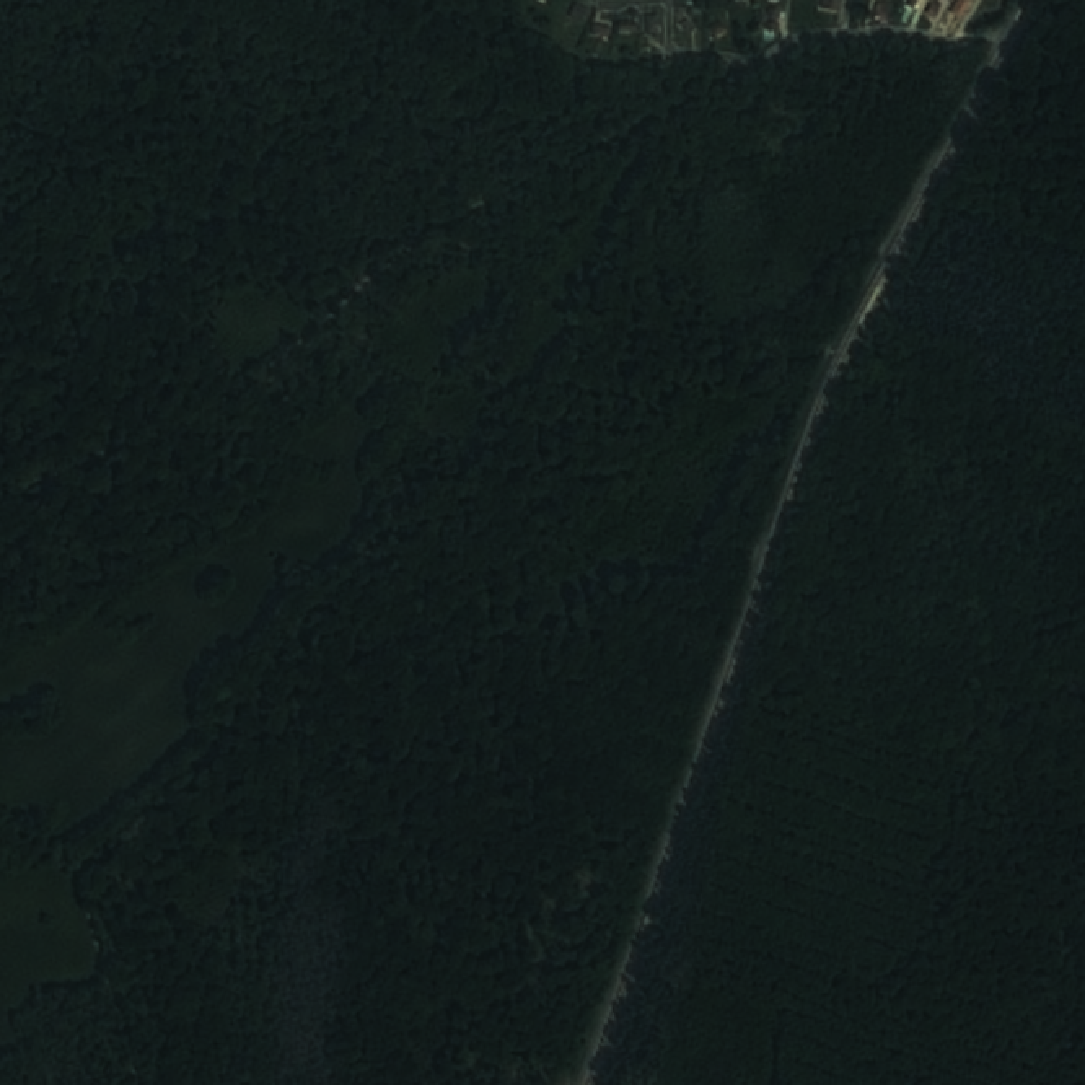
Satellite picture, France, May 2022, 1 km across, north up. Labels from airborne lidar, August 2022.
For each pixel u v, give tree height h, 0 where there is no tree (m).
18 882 0
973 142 28
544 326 0
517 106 20
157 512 25
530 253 23
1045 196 16
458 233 24
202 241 29
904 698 26
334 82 20
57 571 31
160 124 24
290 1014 13
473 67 20
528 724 34
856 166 15
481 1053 25
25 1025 15
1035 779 18
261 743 29
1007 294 18
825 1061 20
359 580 29
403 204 13
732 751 23
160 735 0
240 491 24
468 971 22
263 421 24
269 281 27
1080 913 22
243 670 24
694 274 11
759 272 16
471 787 32
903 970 24
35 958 0
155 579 16
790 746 18
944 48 16
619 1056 22
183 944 29
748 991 21
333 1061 19
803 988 17
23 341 30
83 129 28
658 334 22
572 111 25
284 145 19
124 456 30
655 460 8
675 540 6
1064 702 31
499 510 26
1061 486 24
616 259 26
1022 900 27
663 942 27
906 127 16
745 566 22
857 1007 23
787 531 19
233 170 25
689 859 23
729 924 17
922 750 17
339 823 23
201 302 26
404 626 24
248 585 0
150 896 28
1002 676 26
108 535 29
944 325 25
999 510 19
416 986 25
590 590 22
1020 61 29
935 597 21
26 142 21
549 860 29
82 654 0
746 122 23
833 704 23
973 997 24
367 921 29
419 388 19
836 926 16
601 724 22
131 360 27
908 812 15
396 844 28
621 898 24
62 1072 26
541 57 26
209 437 24
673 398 25
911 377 26
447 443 13
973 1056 19
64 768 0
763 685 24
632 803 23
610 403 21
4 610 25
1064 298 22
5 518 30
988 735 28
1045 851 19
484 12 23
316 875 24
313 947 24
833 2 0
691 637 26
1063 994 26
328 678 30
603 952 13
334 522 0
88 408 31
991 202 23
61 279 26
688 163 17
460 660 30
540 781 28
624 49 7
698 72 18
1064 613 24
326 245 23
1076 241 22
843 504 22
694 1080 7
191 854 28
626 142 17
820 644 27
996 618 25
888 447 24
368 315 26
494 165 19
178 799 28
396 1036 23
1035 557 23
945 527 21
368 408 23
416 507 27
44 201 26
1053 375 17
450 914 27
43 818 20
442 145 21
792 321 27
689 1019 10
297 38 24
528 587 29
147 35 28
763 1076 10
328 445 0
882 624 24
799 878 19
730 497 21
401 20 25
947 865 24
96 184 24
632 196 23
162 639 0
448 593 32
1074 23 26
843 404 20
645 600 31
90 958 0
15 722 18
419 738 30
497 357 26
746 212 21
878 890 15
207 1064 23
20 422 26
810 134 18
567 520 24
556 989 22
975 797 25
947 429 26
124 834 26
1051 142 22
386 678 28
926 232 21
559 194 26
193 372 28
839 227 15
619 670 23
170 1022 23
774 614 20
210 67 19
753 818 15
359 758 29
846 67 17
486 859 28
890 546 22
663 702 27
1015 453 26
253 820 30
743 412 8
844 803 17
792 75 22
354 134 24
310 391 24
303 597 23
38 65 16
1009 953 27
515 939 10
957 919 27
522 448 28
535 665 31
